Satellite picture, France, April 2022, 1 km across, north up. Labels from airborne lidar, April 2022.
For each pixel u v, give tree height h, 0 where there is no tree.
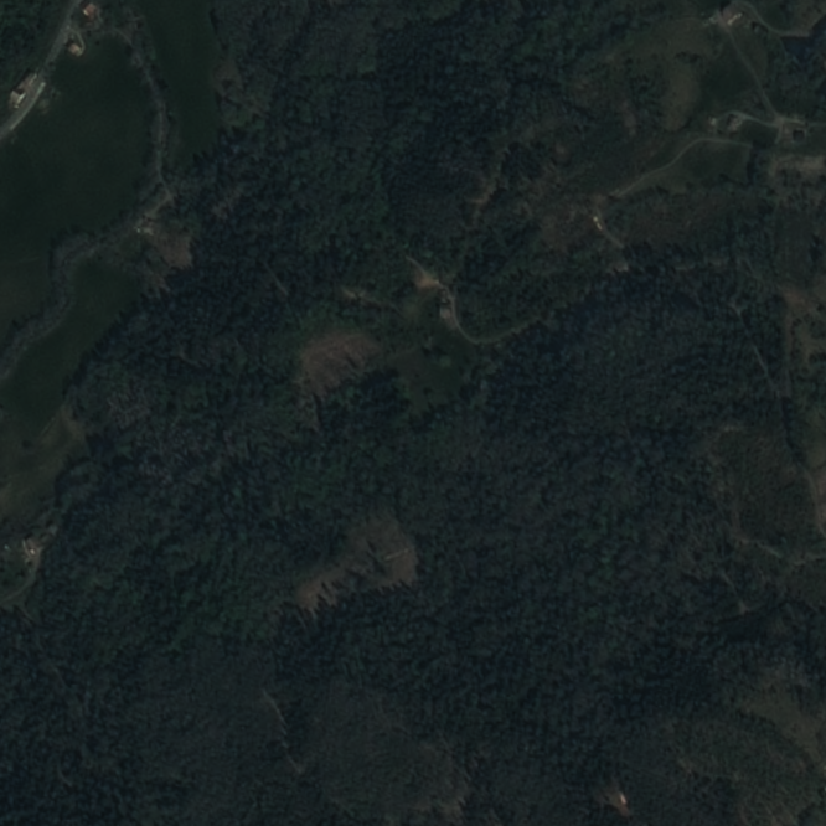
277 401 23
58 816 25
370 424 29
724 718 10
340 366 0
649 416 17
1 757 16
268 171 13
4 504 0
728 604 23
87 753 7
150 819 20
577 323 17
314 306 24
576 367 17
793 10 13
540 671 24
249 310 19
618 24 13
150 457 26
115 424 16
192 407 12
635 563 27
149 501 27
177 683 11
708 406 20
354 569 0
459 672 20
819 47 20
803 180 10
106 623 14
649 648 14
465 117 18
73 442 0
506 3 20
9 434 0
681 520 15
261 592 16
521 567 19
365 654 21
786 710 0
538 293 6
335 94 15
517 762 18
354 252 18
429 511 19
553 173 16
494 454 17
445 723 23
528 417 31
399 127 21
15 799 23
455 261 8
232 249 25
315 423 20
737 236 18
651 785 21
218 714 14
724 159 0
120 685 14
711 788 21
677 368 19
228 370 26
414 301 19
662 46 0
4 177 0
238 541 28
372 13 23
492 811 20
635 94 7
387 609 10
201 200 9
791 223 0
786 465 7
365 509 16
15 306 0
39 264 0
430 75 20
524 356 16
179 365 28
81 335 0
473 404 24
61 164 0
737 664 18
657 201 19
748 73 0
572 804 13
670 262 24
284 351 21
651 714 22
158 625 15
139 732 22
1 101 12
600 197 0
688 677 22
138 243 0
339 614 13
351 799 21
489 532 21
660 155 0
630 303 22
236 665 14
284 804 17
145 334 24
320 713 12
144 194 23
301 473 26
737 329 23
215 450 24
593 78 9
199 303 26
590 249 21
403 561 0
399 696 20
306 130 25
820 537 7
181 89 0
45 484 0
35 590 7
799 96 12
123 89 0
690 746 11
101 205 0
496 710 26
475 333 8
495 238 24
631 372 16
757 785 11
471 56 25
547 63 7
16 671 19
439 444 18
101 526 21
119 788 24
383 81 10
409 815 17
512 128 19
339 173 21
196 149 0
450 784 21
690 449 26
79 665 17
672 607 22
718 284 19
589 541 22
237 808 17
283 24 23
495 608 24
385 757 15
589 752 22
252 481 32
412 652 19
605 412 19
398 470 16
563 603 18
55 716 22
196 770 20
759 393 18
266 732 15
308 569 24
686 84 0
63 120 0
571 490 20
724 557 21
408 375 0
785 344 22
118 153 0
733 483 24
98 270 0
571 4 16
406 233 20
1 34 21
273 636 22
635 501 18
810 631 11
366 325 23
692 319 25
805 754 6
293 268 17
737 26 0
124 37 0
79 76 0
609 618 18
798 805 13
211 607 18
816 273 6
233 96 21
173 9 0
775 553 21
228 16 15
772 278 21
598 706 17
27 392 0
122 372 18
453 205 14
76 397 20
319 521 22
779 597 22
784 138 0
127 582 21
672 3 0
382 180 16
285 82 23
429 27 21
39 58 16
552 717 23
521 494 22
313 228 27
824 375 8
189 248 0
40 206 0
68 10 0
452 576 25
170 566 20
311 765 20
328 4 14
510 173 20
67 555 13
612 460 23
